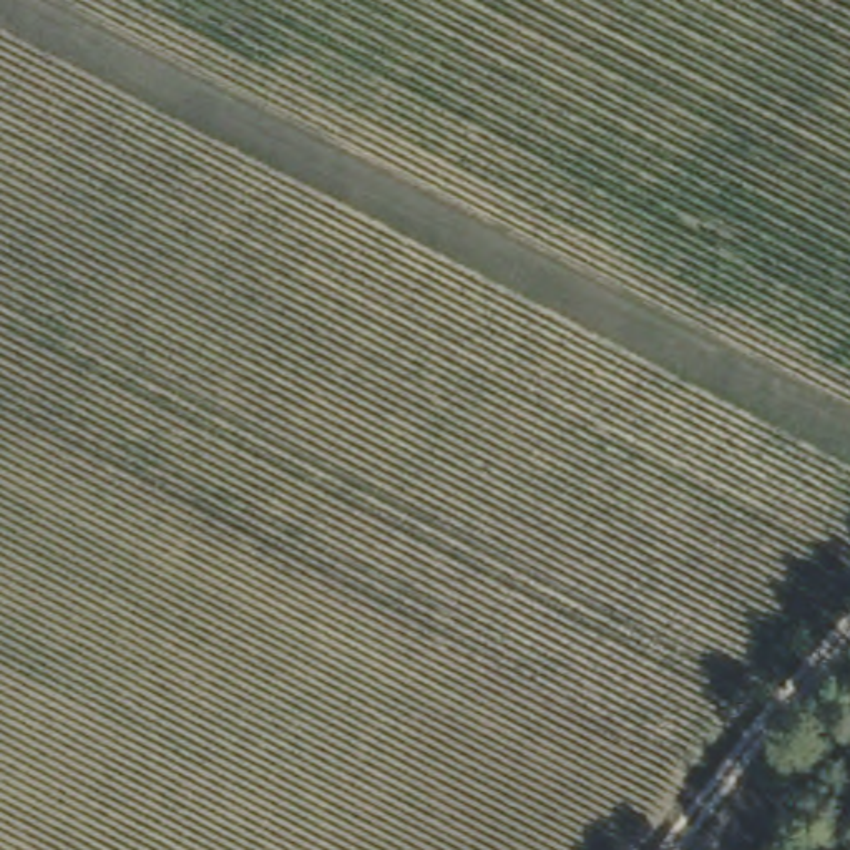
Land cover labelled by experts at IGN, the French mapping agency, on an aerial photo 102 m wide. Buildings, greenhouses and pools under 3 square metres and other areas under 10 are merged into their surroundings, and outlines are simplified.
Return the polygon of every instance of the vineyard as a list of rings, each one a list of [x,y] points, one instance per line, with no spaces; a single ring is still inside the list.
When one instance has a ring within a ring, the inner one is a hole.
[[[0,0],[0,850],[661,850],[664,833],[684,813],[677,807],[677,794],[684,787],[684,777],[694,787],[707,787],[721,774],[721,764],[730,757],[740,734],[760,717],[764,701],[777,694],[784,681],[790,681],[790,674],[807,661],[813,647],[820,647],[820,641],[837,628],[837,621],[850,608],[850,0]]]

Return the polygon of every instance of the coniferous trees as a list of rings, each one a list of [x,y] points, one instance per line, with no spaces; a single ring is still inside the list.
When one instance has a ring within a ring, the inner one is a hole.
[[[817,677],[797,701],[797,730],[774,730],[764,744],[764,754],[740,770],[737,787],[714,807],[711,817],[724,810],[730,817],[721,850],[850,850],[850,638],[847,647],[837,654],[833,667],[823,677]]]

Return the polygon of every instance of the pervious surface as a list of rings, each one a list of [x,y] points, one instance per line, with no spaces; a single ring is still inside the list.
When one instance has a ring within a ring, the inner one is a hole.
[[[694,787],[684,777],[684,787],[677,794],[677,807],[684,813],[664,833],[661,850],[721,850],[730,817],[724,810],[711,817],[714,807],[737,787],[740,770],[764,754],[764,744],[774,730],[797,730],[797,701],[817,677],[823,677],[833,667],[837,654],[847,647],[850,638],[850,608],[837,621],[837,628],[820,641],[820,647],[813,647],[807,661],[790,674],[790,681],[784,681],[777,694],[764,701],[760,717],[740,734],[730,757],[721,764],[721,774],[707,787]]]

